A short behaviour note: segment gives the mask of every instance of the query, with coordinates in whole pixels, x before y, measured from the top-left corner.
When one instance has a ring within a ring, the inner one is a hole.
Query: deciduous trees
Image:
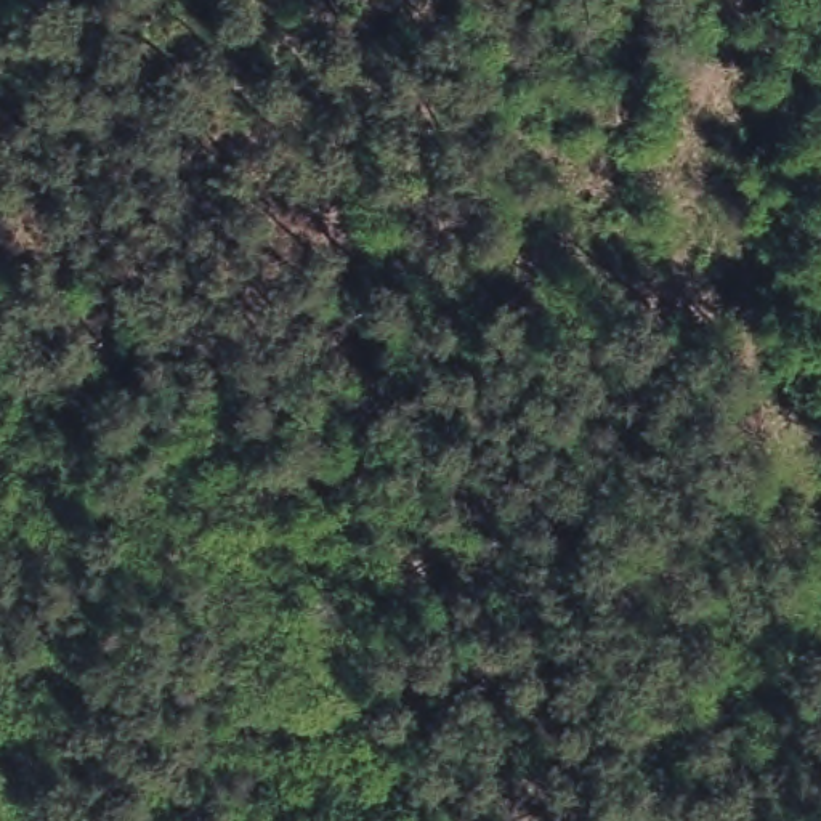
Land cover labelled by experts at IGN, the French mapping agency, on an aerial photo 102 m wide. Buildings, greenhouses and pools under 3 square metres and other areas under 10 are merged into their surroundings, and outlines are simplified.
[[[600,821],[750,821],[754,789],[741,786],[731,802],[702,802],[696,808],[683,805],[680,795],[661,799],[654,792],[645,792],[635,802],[635,808],[609,808]]]
[[[760,45],[776,58],[770,77],[754,80],[750,87],[738,83],[731,87],[734,106],[773,109],[789,96],[795,71],[821,83],[821,0],[770,0],[763,10],[750,16],[747,29],[725,26],[722,45]]]
[[[138,414],[122,430],[106,433],[96,443],[103,449],[106,471],[112,471],[119,481],[106,487],[103,497],[83,497],[87,513],[112,516],[109,548],[87,545],[83,561],[90,571],[125,568],[131,574],[141,574],[148,564],[154,564],[160,539],[170,536],[176,542],[189,536],[215,561],[221,574],[228,574],[231,616],[237,625],[228,632],[224,645],[247,641],[247,657],[234,670],[234,699],[228,702],[228,722],[215,728],[215,741],[205,741],[208,754],[196,766],[215,773],[224,766],[234,773],[234,789],[221,799],[224,821],[539,821],[504,802],[500,795],[497,766],[504,763],[504,750],[510,741],[526,741],[526,731],[504,731],[494,722],[487,702],[468,706],[455,731],[436,734],[423,744],[417,738],[411,712],[382,715],[378,722],[372,722],[366,712],[359,712],[356,718],[340,722],[334,731],[324,734],[289,731],[298,712],[343,693],[327,670],[330,648],[359,648],[359,638],[353,632],[334,632],[334,622],[327,619],[334,609],[321,603],[321,580],[314,577],[317,564],[343,564],[350,558],[359,558],[372,561],[372,580],[398,584],[398,564],[407,552],[436,545],[459,555],[481,552],[481,536],[459,523],[462,513],[452,494],[471,455],[452,446],[439,459],[439,465],[423,462],[417,436],[401,423],[385,420],[375,391],[359,388],[359,375],[346,362],[337,372],[314,375],[292,398],[276,398],[276,417],[269,417],[266,411],[257,414],[244,401],[241,385],[228,375],[212,378],[208,372],[199,385],[192,385],[192,391],[164,385],[160,391],[144,391],[138,398]]]
[[[64,529],[45,510],[42,494],[26,487],[22,481],[26,471],[38,465],[64,465],[64,436],[55,433],[38,439],[22,423],[22,407],[13,404],[13,394],[0,394],[0,536],[10,529],[22,536],[29,545],[61,548]]]
[[[808,555],[795,593],[776,603],[779,616],[792,622],[792,629],[808,629],[821,635],[821,548]]]
[[[744,241],[757,250],[757,260],[776,279],[770,279],[763,289],[734,289],[731,301],[722,311],[731,321],[744,324],[757,343],[760,366],[750,375],[754,404],[760,398],[770,398],[786,420],[795,420],[808,430],[815,475],[821,478],[821,112],[805,115],[802,151],[795,157],[760,164],[760,173],[741,183],[741,192],[750,199],[750,215],[744,224],[750,234]]]

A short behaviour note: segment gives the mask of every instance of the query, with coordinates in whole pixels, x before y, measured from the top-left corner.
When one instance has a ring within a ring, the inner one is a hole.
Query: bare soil
[[[734,106],[731,87],[738,83],[738,67],[718,64],[706,64],[686,83],[693,103],[706,109],[715,112],[722,122],[738,122]]]

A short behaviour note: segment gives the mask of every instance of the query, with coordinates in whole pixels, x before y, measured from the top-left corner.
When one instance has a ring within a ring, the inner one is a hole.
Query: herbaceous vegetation
[[[718,0],[718,22],[725,26],[747,29],[750,16],[763,10],[770,0]]]
[[[625,90],[619,99],[622,125],[609,125],[603,135],[619,141],[629,138],[648,115],[648,87],[657,74],[651,45],[661,38],[661,26],[651,22],[654,0],[638,0],[629,29],[609,51],[616,74],[625,77]]]
[[[770,77],[776,58],[760,45],[722,45],[718,64],[738,67],[738,83],[750,87],[754,80]]]
[[[821,478],[815,475],[808,430],[795,420],[786,420],[770,398],[760,398],[754,404],[760,465],[702,471],[702,494],[722,513],[754,516],[754,523],[766,523],[783,487],[792,487],[799,494],[815,497],[815,520],[821,526]]]
[[[635,257],[629,250],[629,241],[619,234],[597,241],[577,237],[571,231],[571,208],[558,205],[523,221],[520,247],[516,263],[523,269],[532,269],[536,276],[545,276],[545,282],[558,289],[564,301],[574,305],[616,295],[654,298],[680,311],[722,311],[731,301],[734,289],[763,289],[770,279],[776,279],[757,260],[757,250],[744,241],[741,257],[715,253],[706,269],[696,269],[686,260],[673,263]]]
[[[738,122],[722,122],[715,112],[706,109],[693,125],[706,144],[702,196],[712,196],[734,224],[744,224],[750,215],[750,199],[741,192],[741,183],[760,173],[760,164],[795,157],[802,151],[805,115],[821,112],[821,83],[795,71],[789,96],[773,109],[734,106]]]

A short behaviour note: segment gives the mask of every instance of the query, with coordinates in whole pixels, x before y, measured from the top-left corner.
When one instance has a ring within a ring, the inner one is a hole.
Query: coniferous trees
[[[324,734],[334,731],[340,722],[356,718],[359,712],[366,712],[372,722],[378,722],[382,715],[411,712],[417,738],[423,744],[436,734],[455,731],[468,706],[487,702],[494,722],[504,731],[526,731],[526,741],[510,741],[504,750],[504,763],[497,766],[500,795],[504,802],[539,821],[600,821],[609,808],[635,808],[635,802],[645,792],[654,792],[661,799],[680,795],[683,805],[696,808],[702,802],[731,802],[741,786],[754,789],[750,821],[821,821],[821,635],[808,629],[792,629],[792,622],[779,616],[776,603],[795,593],[808,555],[821,548],[821,526],[815,520],[815,497],[799,494],[792,487],[783,487],[766,523],[754,523],[754,516],[722,513],[702,494],[702,471],[760,465],[754,404],[750,375],[760,366],[757,343],[744,324],[731,321],[722,311],[680,311],[654,298],[616,295],[574,305],[564,301],[558,289],[545,282],[545,276],[536,276],[532,269],[523,269],[516,263],[520,247],[516,241],[504,241],[500,224],[494,221],[507,212],[504,202],[513,199],[513,192],[504,186],[504,170],[516,157],[510,151],[510,135],[504,131],[504,106],[491,103],[494,80],[478,74],[478,55],[497,42],[491,32],[459,29],[462,0],[0,0],[0,394],[13,394],[13,404],[22,407],[22,423],[38,439],[55,433],[64,436],[64,465],[38,465],[26,471],[22,481],[26,487],[42,494],[45,510],[64,529],[61,548],[29,545],[22,536],[10,529],[0,536],[0,821],[224,821],[221,799],[234,789],[234,773],[224,766],[215,773],[196,766],[208,754],[205,741],[215,741],[215,728],[228,722],[228,702],[234,699],[234,670],[247,657],[247,641],[224,645],[228,632],[237,625],[231,616],[228,574],[221,574],[215,561],[189,536],[176,542],[170,536],[160,539],[154,564],[148,564],[141,574],[131,574],[125,568],[90,571],[83,561],[87,545],[109,548],[112,516],[87,513],[83,497],[103,497],[106,487],[119,481],[112,471],[106,471],[103,449],[96,443],[106,433],[122,430],[138,414],[138,398],[144,391],[160,391],[164,385],[192,391],[192,385],[199,385],[208,372],[212,378],[228,375],[241,385],[244,401],[257,414],[266,411],[269,417],[276,417],[276,398],[292,398],[314,375],[337,372],[346,362],[359,375],[359,388],[375,391],[385,420],[401,423],[417,436],[423,462],[439,465],[439,459],[452,446],[471,455],[452,494],[462,513],[459,523],[481,536],[481,552],[459,555],[436,545],[407,552],[398,564],[398,584],[372,580],[372,561],[359,558],[350,558],[343,564],[317,564],[314,577],[321,580],[321,603],[334,609],[327,619],[334,622],[334,632],[353,632],[359,638],[359,648],[330,648],[327,670],[343,693],[298,712],[289,731]]]

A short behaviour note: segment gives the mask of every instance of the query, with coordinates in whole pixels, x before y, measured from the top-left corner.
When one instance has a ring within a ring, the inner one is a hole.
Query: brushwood
[[[629,29],[638,0],[462,0],[459,29],[491,32],[497,42],[478,55],[478,74],[494,80],[491,103],[504,106],[504,131],[510,135],[510,151],[516,157],[504,170],[504,186],[513,192],[513,199],[504,202],[507,212],[494,221],[500,224],[504,241],[516,241],[520,247],[523,221],[558,205],[571,208],[571,231],[577,237],[597,241],[619,234],[629,241],[629,250],[635,257],[673,263],[686,260],[696,269],[706,269],[715,253],[741,257],[744,241],[750,234],[744,224],[734,224],[712,196],[702,196],[706,144],[693,125],[706,109],[693,103],[686,83],[706,64],[718,64],[722,45],[725,26],[718,22],[718,0],[654,0],[651,22],[661,26],[661,38],[651,45],[657,74],[648,87],[648,115],[629,138],[619,141],[603,135],[609,125],[622,125],[619,99],[625,90],[625,77],[616,74],[609,51]]]

